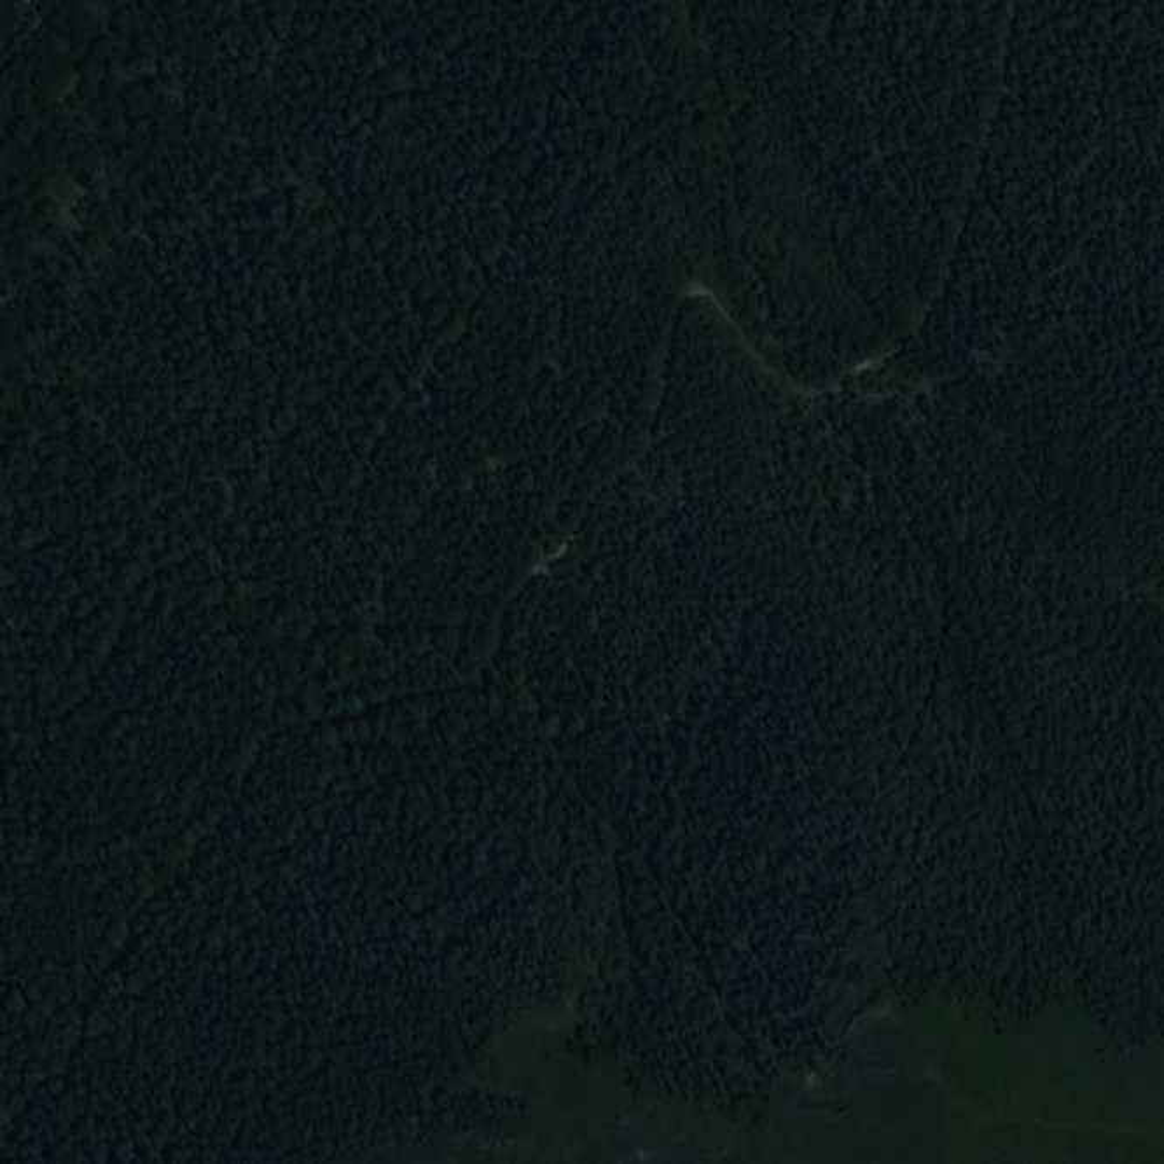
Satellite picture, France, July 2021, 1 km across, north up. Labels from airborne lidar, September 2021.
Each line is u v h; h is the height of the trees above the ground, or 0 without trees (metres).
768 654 17
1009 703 20
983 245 18
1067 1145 0
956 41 19
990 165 18
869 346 20
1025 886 11
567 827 15
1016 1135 0
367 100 22
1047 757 17
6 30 7
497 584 33
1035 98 15
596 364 27
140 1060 26
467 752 14
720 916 11
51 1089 23
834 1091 0
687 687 11
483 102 28
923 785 18
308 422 23
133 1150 26
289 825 27
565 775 15
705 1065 16
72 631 9
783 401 18
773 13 21
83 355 29
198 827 26
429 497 25
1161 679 19
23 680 31
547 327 25
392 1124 18
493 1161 0
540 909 16
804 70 22
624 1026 16
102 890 23
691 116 30
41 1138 29
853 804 13
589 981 16
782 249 17
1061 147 9
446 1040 19
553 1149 0
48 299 12
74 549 22
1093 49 11
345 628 16
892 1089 0
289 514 22
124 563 20
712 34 15
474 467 19
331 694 29
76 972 29
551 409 16
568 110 21
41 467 17
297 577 22
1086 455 6
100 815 20
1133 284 17
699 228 22
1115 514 11
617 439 24
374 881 24
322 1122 22
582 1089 0
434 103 24
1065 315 15
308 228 33
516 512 24
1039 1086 0
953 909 22
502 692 29
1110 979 14
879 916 7
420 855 24
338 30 18
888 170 16
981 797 19
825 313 22
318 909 12
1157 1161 0
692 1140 0
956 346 23
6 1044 32
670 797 20
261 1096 16
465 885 22
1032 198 19
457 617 10
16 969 15
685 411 13
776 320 20
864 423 13
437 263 22
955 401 16
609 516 18
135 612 23
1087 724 14
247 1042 24
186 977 22
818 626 20
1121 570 10
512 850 19
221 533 26
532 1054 0
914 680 21
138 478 28
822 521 17
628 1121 0
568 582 25
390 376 17
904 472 13
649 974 19
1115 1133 0
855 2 33
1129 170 16
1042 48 19
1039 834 10
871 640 17
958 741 27
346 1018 10
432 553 21
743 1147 0
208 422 27
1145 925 15
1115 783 21
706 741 27
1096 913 19
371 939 12
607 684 9
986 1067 0
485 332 24
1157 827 16
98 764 15
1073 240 15
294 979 28
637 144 25
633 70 21
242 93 17
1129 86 18
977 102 23
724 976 23
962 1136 0
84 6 21
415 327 22
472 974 8
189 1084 24
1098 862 18
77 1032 10
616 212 14
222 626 25
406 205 28
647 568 24
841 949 10
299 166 31
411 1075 23
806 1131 0
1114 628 19
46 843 20
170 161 24
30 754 30
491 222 27
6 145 18
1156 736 19
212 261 30
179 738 23
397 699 6
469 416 25
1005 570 14
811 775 16
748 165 14
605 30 18
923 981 11
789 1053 8
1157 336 25
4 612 31
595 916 20
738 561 14
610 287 15
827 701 21
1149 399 15
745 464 12
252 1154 21
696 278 12
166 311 20
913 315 6
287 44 24
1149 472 16
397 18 30
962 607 27
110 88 19
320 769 23
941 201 14
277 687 26
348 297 18
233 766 24
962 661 13
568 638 15
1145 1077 0
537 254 23
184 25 22
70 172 8
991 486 13
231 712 23
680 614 21
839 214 15
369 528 24
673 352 10
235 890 32
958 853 14
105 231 17
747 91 7
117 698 19
